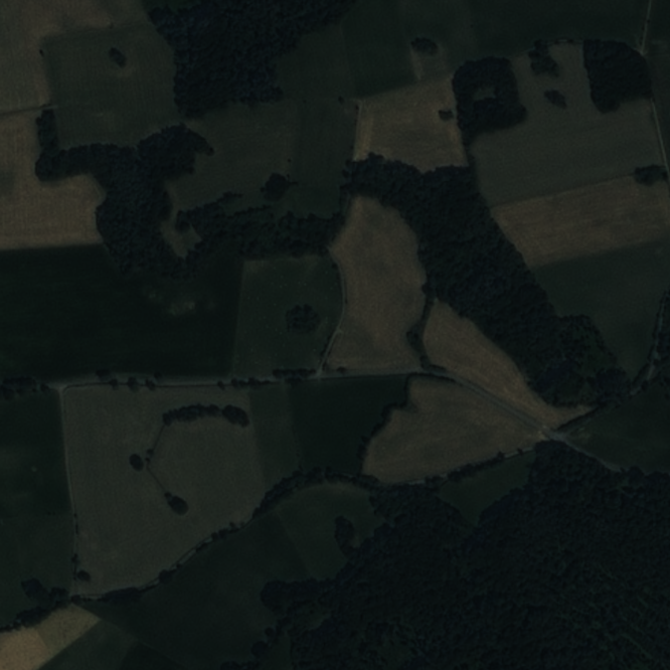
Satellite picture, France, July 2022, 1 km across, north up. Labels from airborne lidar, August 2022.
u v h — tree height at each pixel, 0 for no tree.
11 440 0
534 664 16
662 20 0
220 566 0
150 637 0
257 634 0
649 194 0
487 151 0
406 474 0
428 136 0
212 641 0
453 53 0
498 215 0
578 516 21
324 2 14
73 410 0
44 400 0
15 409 0
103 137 0
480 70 23
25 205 0
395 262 0
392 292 0
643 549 23
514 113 23
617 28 0
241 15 23
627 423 0
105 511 0
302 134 0
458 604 21
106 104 0
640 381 8
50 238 0
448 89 0
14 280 0
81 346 0
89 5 0
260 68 18
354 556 22
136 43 0
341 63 0
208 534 0
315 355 0
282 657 0
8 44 0
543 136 0
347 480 10
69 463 0
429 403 0
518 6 0
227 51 24
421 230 22
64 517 0
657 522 25
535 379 11
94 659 0
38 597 25
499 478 0
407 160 0
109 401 0
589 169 0
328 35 0
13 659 0
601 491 20
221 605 0
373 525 0
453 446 0
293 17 18
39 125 13
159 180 19
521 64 0
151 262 16
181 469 0
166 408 0
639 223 0
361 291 0
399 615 20
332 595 25
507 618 26
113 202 14
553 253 0
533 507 28
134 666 0
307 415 0
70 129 0
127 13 0
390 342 0
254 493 0
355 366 0
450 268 11
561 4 0
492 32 0
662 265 0
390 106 0
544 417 0
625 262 0
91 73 0
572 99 0
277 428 0
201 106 21
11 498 0
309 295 0
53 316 0
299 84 0
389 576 33
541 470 25
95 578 0
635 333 0
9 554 0
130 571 0
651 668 7
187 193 0
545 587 17
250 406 0
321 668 16
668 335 7
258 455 0
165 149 20
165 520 0
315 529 0
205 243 13
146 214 17
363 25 0
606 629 8
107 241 12
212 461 0
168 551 0
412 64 0
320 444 0
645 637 9
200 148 13
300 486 13
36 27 0
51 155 7
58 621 0
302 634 15
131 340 0
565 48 0
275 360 0
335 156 0
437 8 0
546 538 17
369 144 0
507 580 21
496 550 31
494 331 10
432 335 0
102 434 0
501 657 10
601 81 22
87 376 0
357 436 0
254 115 0
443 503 8
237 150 0
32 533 0
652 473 0
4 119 0
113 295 0
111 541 0
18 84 0
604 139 0
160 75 0
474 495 0
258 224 6
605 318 0
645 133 0
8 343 0
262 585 0
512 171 0
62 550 0
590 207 0
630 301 0
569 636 18
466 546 26
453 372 0
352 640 26
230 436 0
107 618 0
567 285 0
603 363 0
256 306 0
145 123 0
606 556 18
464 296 25
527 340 27
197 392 0
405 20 0
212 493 0
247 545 0
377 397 0
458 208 25
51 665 0
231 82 25
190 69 26
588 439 0
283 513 0
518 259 19
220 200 7
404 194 22
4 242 0
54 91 0
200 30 28
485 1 0
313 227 8
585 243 0
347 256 0
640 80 24
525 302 25
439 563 29
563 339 7
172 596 0
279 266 0
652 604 11
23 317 0
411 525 25
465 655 14
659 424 0
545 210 0
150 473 0
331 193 0
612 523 23
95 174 12
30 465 0
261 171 0
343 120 0
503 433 0
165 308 0
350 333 0
